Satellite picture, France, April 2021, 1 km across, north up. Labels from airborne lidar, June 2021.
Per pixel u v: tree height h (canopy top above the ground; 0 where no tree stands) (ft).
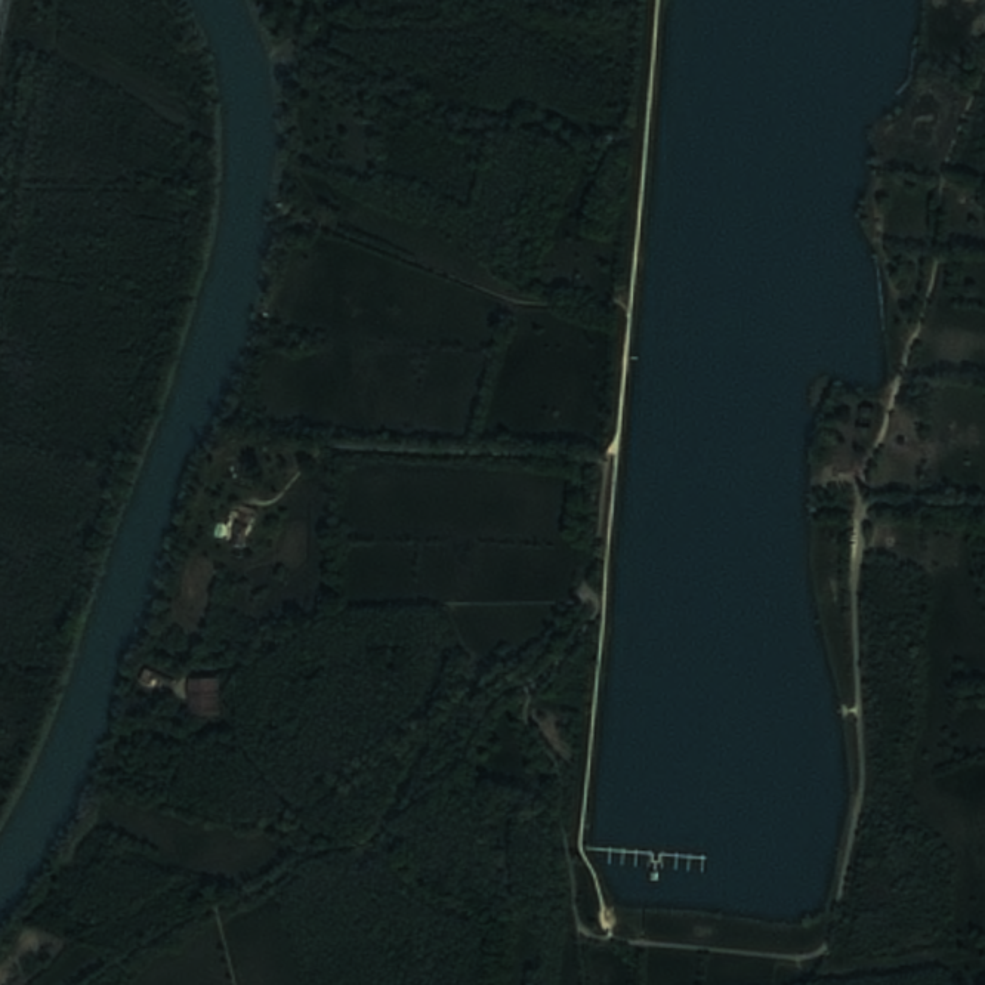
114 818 0
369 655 41
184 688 0
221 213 0
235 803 58
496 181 46
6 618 37
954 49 0
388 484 0
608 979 0
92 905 37
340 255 0
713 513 0
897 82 0
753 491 0
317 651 49
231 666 36
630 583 0
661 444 0
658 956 0
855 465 0
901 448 0
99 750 23
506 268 49
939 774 21
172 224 24
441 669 23
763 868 0
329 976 52
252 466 52
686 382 0
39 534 33
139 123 33
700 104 0
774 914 0
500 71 40
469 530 0
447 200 37
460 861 70
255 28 0
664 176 0
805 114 0
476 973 52
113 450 21
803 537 0
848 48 0
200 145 31
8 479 26
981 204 41
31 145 68
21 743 24
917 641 34
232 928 0
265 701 52
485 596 0
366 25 37
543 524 0
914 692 43
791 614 0
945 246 52
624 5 32
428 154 25
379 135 49
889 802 18
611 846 0
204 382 0
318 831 40
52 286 34
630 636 0
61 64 26
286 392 0
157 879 38
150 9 36
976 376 55
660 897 0
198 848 0
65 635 84
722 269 0
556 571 0
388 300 0
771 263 0
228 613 29
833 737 0
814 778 0
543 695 36
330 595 53
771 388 0
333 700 51
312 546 0
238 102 0
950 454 0
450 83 29
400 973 44
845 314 0
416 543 27
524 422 0
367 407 0
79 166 33
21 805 0
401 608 44
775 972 0
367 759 70
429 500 0
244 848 0
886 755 20
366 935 50
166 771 52
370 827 54
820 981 48
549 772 26
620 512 0
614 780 0
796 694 0
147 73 29
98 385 27
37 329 23
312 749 60
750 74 0
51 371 25
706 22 0
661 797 0
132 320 26
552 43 18
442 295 0
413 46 39
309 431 56
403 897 54
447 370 0
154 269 25
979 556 22
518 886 58
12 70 23
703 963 24
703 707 0
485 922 66
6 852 0
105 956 40
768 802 0
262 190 0
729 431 0
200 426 0
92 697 0
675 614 0
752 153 0
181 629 20
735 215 0
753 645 0
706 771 0
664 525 0
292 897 47
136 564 0
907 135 0
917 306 33
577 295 52
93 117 32
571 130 63
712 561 0
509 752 0
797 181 0
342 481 29
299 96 90
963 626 0
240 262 0
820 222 0
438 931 52
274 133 0
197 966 0
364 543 35
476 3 35
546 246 49
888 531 0
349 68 47
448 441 40
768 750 0
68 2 32
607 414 42
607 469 0
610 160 53
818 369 0
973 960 0
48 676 29
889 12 0
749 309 0
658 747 0
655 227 0
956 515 61
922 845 23
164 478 0
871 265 0
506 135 61
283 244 72
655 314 0
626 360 0
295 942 39
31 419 31
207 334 0
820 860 0
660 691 0
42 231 24
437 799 74
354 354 0
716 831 0
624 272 22
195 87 24
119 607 0
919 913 22
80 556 31
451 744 57
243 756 65
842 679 0
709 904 0
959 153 22
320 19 53
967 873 0
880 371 0
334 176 43
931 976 48
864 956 30
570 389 0
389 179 49
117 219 30
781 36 0
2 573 36
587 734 0
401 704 51
